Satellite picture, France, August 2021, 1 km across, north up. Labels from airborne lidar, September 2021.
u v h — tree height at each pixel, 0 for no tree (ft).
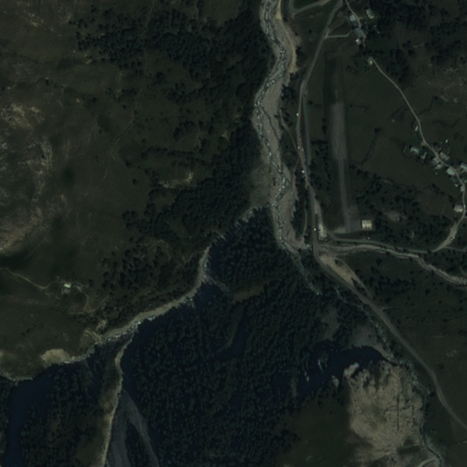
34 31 0
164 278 40
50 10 0
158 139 0
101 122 0
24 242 0
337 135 0
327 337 0
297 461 0
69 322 0
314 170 48
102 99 0
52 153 0
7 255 0
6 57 0
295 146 0
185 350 94
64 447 18
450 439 0
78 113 0
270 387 60
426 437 0
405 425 0
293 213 0
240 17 40
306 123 0
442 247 0
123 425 0
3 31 0
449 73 0
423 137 0
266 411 50
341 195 0
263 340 71
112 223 0
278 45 0
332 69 0
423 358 0
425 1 34
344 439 0
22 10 0
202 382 101
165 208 24
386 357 0
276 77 0
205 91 38
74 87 0
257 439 57
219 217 73
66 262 0
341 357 59
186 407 31
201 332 92
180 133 68
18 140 0
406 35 0
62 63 0
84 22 40
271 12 0
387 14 32
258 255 21
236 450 40
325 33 0
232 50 26
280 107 0
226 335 37
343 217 0
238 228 0
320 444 0
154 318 0
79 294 0
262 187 0
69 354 0
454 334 0
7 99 0
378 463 0
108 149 0
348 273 0
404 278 0
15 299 0
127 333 0
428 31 31
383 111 0
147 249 20
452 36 29
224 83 49
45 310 0
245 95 71
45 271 0
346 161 0
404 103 0
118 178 0
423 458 0
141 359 22
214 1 0
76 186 0
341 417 0
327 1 0
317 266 33
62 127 0
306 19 0
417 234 25
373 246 0
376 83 0
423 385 0
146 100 0
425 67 0
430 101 0
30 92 0
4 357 0
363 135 0
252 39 50
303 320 82
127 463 0
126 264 87
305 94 0
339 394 41
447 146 0
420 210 31
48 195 0
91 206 0
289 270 75
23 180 0
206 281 0
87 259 0
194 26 29
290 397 52
